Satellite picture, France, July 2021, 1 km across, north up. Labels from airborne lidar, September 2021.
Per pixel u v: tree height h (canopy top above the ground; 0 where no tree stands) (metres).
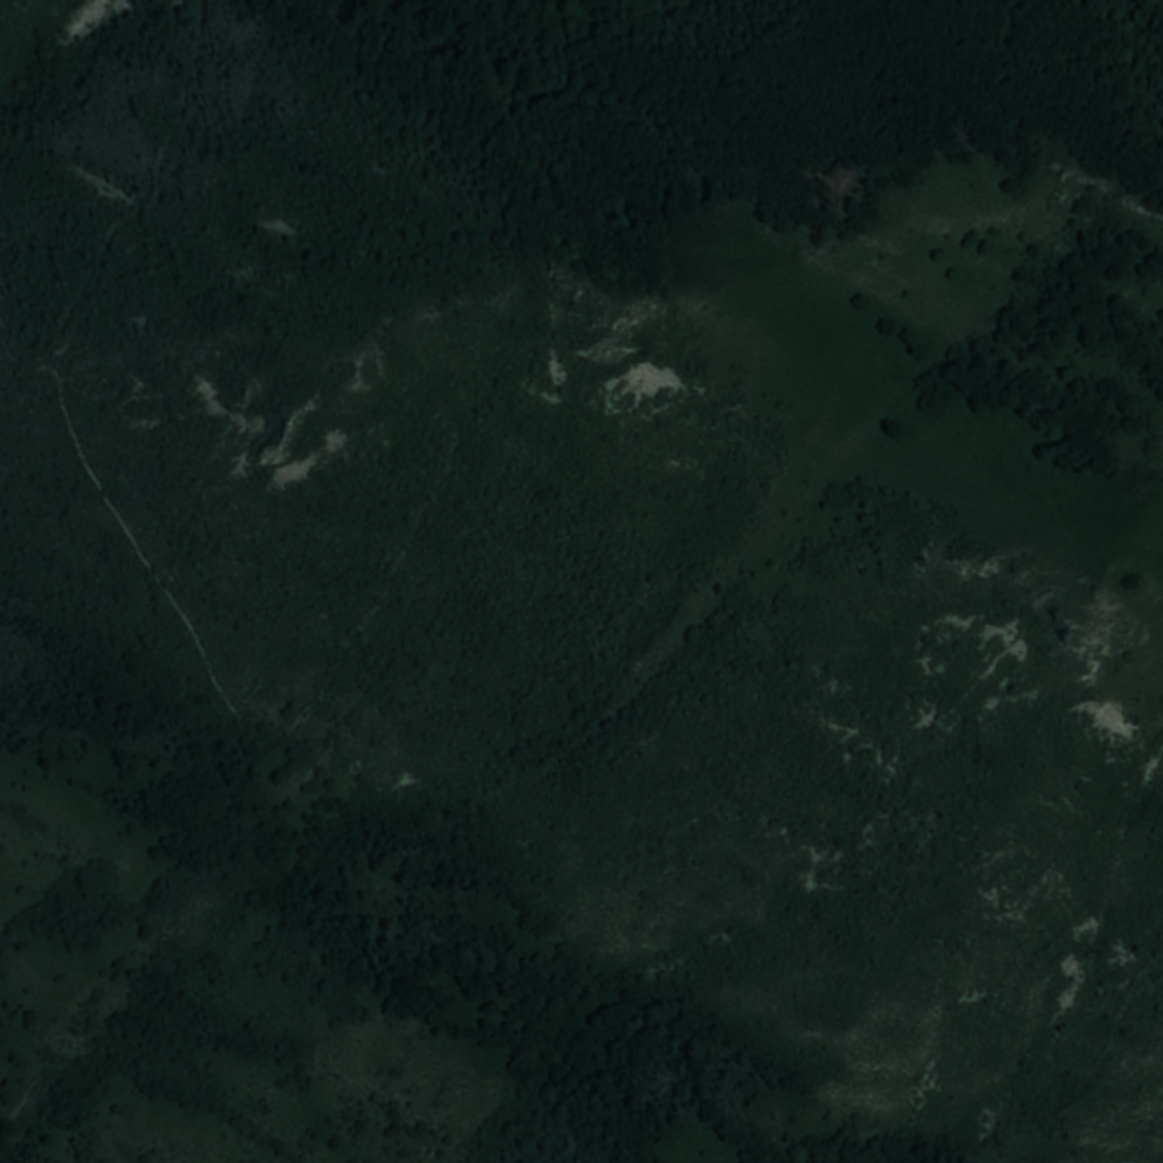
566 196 25
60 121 6
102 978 6
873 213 15
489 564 8
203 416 7
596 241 23
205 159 7
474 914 0
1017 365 11
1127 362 7
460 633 5
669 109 20
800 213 14
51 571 7
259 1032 8
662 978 12
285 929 10
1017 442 0
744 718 7
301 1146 7
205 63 7
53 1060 5
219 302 8
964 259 0
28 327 8
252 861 8
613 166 23
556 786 8
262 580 10
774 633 5
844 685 8
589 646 10
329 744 8
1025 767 8
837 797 8
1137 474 8
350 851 12
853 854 6
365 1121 6
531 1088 12
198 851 8
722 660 6
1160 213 8
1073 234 5
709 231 0
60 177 6
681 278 0
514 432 7
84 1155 6
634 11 15
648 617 8
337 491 7
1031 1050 5
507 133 25
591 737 9
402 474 7
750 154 19
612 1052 23
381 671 7
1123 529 0
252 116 8
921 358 23
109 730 9
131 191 8
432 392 7
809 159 21
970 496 0
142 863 0
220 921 6
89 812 0
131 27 8
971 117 19
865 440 0
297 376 7
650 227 20
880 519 6
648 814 6
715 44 15
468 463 9
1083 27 22
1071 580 0
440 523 6
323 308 6
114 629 7
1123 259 7
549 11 10
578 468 7
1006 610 6
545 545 9
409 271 7
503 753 10
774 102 21
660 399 6
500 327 7
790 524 0
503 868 6
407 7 25
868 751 9
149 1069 6
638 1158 16
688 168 21
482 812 10
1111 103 16
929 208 0
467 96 30
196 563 8
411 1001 23
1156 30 26
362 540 6
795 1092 11
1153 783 10
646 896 11
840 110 19
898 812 10
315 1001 9
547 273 7
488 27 10
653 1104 8
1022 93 16
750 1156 16
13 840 0
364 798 8
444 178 6
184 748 10
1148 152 18
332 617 6
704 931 6
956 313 0
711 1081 6
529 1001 19
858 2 21
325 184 6
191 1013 7
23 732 12
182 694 8
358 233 7
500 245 10
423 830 9
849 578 0
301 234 6
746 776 7
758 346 0
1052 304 19
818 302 0
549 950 0
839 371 0
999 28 19
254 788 10
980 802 6
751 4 11
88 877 9
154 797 11
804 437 0
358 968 13
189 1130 0
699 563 10
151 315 6
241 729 7
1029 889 8
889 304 0
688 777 6
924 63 20
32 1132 12
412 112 12
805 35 19
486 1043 19
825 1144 14
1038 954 8
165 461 7
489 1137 8
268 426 7
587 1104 21
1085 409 21
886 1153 25
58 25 6
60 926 9
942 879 6
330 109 6
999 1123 8
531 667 8
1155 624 0
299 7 21
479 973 22
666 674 9
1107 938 12
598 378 7
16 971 0
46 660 7
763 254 0
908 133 18
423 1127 10
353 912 7
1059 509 0
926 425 0
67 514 9
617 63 19
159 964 10
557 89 6
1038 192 0
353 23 28
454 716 7
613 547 8
